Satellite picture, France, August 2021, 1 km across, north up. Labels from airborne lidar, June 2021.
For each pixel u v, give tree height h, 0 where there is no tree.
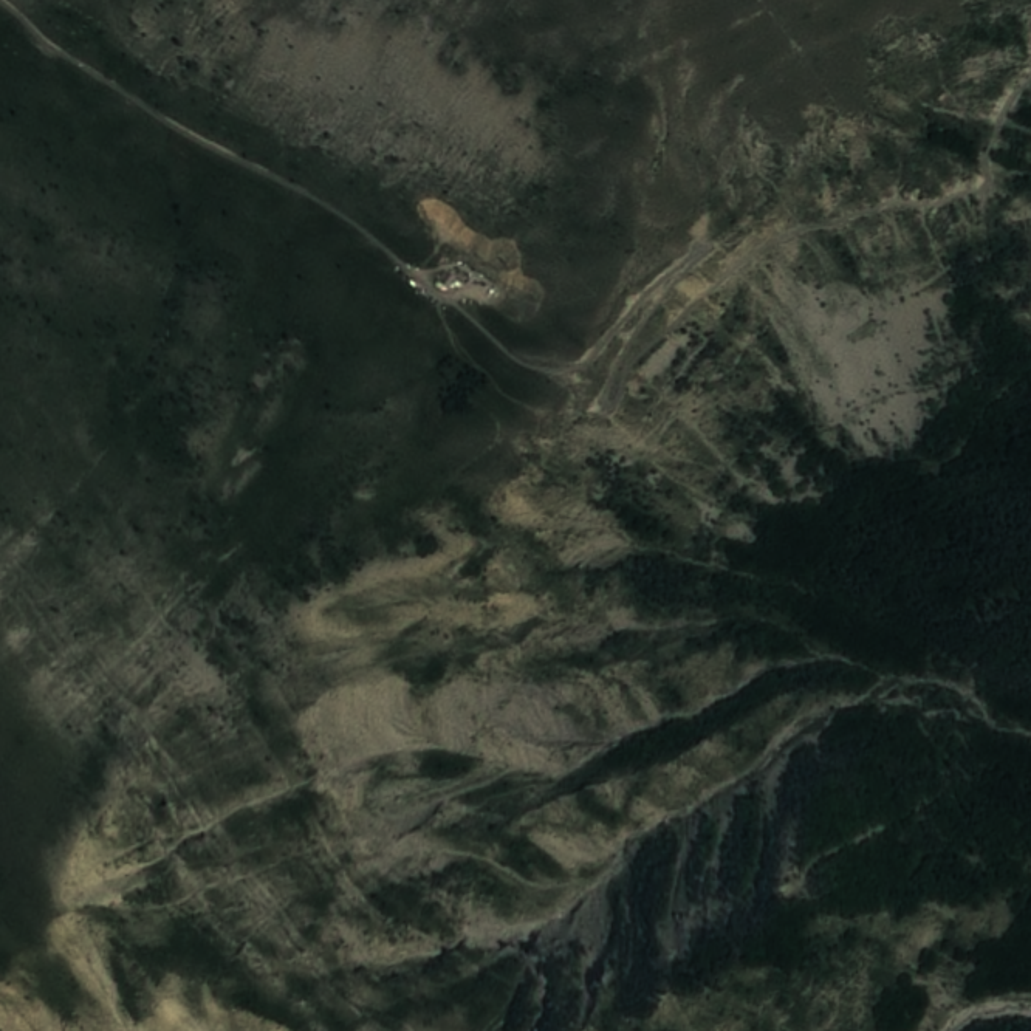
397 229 0
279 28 0
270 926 0
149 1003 0
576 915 0
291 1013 0
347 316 0
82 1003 0
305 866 0
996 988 7
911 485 9
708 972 8
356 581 0
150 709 0
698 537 9
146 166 0
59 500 0
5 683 0
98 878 0
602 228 0
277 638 0
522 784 0
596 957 0
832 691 8
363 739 0
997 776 10
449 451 0
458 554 0
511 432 0
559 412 0
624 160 0
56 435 0
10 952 0
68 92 0
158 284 0
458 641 0
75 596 0
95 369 0
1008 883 9
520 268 0
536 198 0
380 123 0
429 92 0
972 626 18
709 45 0
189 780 0
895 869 11
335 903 0
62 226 0
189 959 0
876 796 10
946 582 14
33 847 0
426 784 0
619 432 0
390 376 0
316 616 0
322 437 0
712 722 8
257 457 0
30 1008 0
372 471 0
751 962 11
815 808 10
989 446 12
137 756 0
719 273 0
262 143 0
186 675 0
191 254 0
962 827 11
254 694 0
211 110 0
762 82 0
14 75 0
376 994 0
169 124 0
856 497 18
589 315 0
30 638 0
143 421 0
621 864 0
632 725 0
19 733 0
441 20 0
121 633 0
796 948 15
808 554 18
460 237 0
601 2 0
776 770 0
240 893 0
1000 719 6
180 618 0
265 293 0
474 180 0
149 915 0
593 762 0
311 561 0
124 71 0
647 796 0
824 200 0
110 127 0
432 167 0
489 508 0
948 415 10
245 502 0
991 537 22
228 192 0
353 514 0
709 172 0
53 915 0
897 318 0
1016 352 11
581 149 0
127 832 0
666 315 0
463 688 0
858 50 0
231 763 0
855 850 11
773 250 0
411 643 0
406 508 0
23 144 0
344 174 0
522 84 0
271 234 0
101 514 0
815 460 13
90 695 0
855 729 14
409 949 0
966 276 8
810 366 0
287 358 0
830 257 0
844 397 0
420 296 0
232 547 0
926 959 14
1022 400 12
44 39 0
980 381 8
